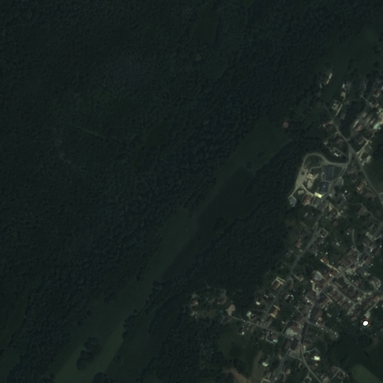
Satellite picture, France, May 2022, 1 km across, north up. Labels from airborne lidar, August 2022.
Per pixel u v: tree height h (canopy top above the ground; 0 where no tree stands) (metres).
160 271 0
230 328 7
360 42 0
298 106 15
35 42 24
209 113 9
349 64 8
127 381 0
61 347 21
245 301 16
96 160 19
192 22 36
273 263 15
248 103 9
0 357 16
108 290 15
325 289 0
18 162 24
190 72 20
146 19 13
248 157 0
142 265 17
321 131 0
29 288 29
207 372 21
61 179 21
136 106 21
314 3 20
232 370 0
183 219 0
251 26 20
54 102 22
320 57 20
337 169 0
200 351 25
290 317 0
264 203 14
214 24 0
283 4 21
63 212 22
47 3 29
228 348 0
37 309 12
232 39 28
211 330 22
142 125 19
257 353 0
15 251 27
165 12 20
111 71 17
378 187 0
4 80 17
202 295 8
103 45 17
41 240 23
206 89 28
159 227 22
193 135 15
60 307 15
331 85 0
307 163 0
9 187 24
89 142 17
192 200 16
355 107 15
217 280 17
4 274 23
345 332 6
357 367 0
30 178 21
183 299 19
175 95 16
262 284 14
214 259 22
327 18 27
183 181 25
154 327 15
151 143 0
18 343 13
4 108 19
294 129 11
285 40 24
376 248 0
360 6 30
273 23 26
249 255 20
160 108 27
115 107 11
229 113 27
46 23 23
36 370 20
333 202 8
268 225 17
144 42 20
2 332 20
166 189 14
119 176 23
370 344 14
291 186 12
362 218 8
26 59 15
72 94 20
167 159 9
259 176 20
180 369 17
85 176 21
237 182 0
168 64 23
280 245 15
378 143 0
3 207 21
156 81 26
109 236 26
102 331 0
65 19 18
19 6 28
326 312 6
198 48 23
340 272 0
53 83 22
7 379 0
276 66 23
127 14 15
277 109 24
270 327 0
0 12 29
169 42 23
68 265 9
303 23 11
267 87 22
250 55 28
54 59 17
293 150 20
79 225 22
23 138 13
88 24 15
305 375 0
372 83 13
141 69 16
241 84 26
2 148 21
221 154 23
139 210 29
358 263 0
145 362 0
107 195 28
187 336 17
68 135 15
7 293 27
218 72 26
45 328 18
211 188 14
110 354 0
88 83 17
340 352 0
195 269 19
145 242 23
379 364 0
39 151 16
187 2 15
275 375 0
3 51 30
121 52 17
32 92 9
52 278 23
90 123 20
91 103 10
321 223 9
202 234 0
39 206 24
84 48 18
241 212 0
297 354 0
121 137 25
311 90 13
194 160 34
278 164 24
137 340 0
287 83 22
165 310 18
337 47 0
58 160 20
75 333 0
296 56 22
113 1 22
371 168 0
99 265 25
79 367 12
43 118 18
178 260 0
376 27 0
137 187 24
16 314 0
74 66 21
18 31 36
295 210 16
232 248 18
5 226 15
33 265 26
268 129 0
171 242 0
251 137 0
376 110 11
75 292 21
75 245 36
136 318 9
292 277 8
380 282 0
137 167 0
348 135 15
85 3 16
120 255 22
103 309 0
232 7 30
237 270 19
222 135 31
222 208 0
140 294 0
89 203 18
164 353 21
